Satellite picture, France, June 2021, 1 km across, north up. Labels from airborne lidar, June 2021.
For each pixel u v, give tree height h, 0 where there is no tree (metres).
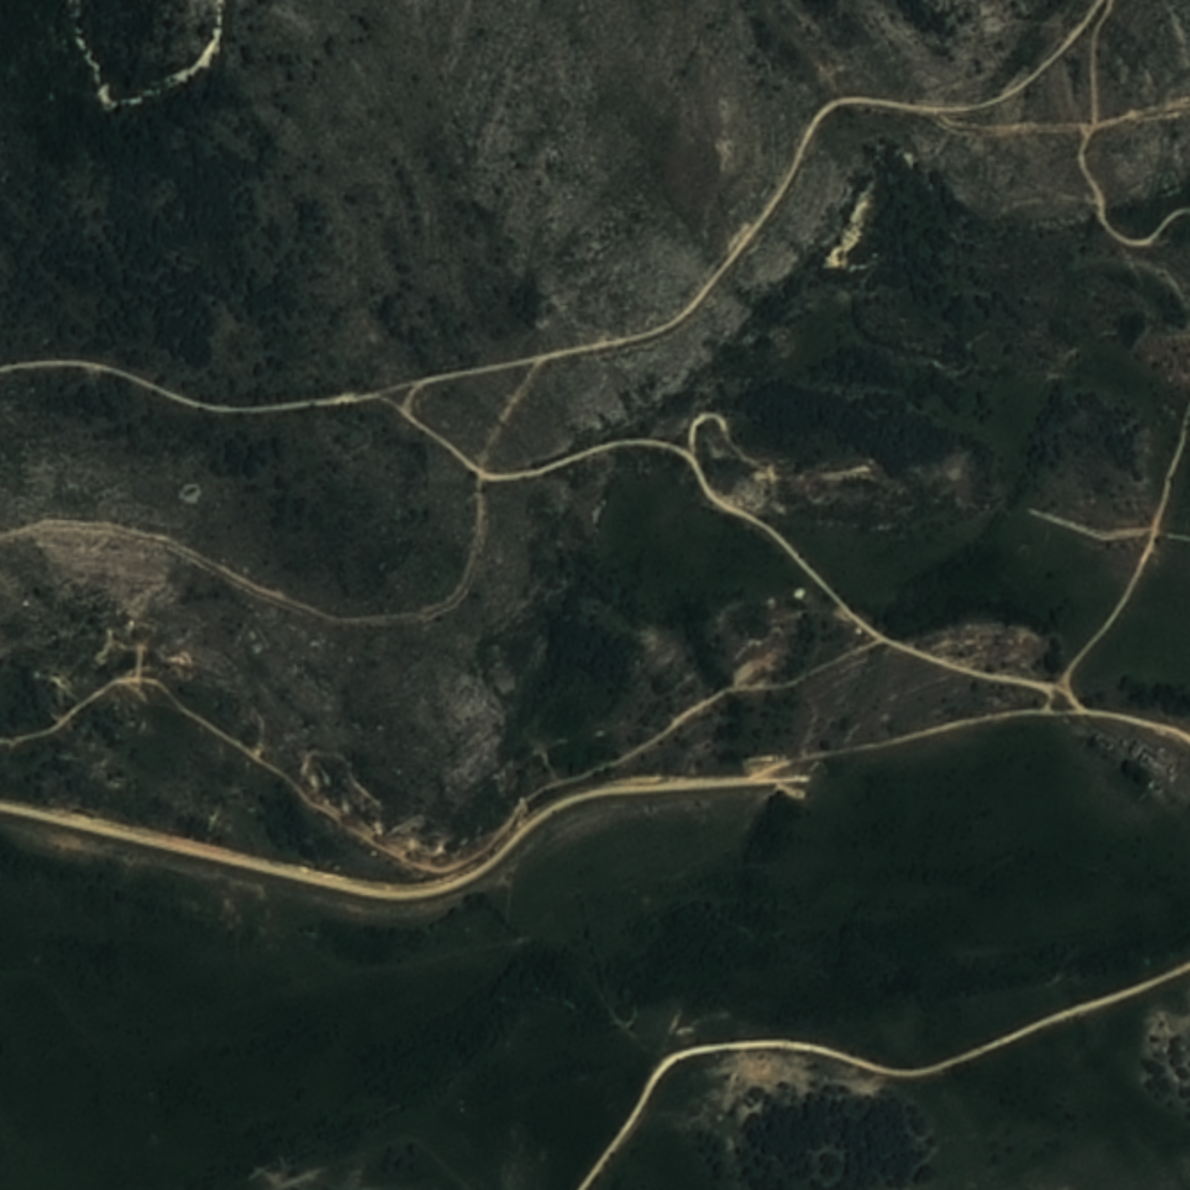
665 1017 0
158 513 0
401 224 0
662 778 0
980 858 0
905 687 0
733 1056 0
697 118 0
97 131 7
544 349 0
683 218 0
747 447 0
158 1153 0
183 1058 0
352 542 0
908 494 0
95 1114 0
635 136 0
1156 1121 0
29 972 0
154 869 0
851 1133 12
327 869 0
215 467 7
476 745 0
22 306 7
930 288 7
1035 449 8
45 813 0
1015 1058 0
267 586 0
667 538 0
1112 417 6
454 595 0
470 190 0
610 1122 0
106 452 0
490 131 0
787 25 0
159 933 0
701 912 8
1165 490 0
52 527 0
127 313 9
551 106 0
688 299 0
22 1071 0
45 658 0
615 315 0
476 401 0
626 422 0
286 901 0
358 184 0
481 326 0
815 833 0
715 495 0
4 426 0
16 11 9
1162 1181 0
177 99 9
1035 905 0
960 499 0
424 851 0
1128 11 0
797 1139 12
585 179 0
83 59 6
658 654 0
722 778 0
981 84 0
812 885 0
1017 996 0
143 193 8
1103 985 0
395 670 0
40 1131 0
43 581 0
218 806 0
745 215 0
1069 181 0
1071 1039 0
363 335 0
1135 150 0
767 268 0
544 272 0
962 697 0
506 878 0
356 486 0
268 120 0
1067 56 0
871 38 0
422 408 0
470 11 0
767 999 0
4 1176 0
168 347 6
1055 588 0
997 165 0
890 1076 0
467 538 0
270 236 7
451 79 0
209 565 0
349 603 0
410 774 0
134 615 0
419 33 0
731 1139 0
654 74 0
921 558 0
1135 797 0
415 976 0
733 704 6
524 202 0
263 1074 0
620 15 0
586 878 0
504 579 0
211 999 0
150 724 0
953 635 0
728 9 0
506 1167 0
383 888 0
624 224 0
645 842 0
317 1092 0
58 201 6
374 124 0
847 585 0
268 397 6
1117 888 0
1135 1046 0
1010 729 0
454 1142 0
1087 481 0
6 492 0
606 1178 0
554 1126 0
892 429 6
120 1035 0
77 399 6
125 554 0
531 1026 0
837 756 0
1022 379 0
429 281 0
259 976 0
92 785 0
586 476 0
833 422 8
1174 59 0
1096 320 0
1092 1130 0
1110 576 0
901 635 6
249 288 9
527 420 0
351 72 0
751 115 0
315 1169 0
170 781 0
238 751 0
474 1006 6
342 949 0
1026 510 0
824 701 0
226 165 8
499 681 0
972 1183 0
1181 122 0
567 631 12
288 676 0
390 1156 6
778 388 8
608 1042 0
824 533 0
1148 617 0
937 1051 0
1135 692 8
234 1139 0
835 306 0
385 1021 0
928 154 0
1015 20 0
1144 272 0
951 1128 0
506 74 0
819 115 0
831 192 0
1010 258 0
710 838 0
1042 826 0
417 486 0
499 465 0
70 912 0
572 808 0
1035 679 0
